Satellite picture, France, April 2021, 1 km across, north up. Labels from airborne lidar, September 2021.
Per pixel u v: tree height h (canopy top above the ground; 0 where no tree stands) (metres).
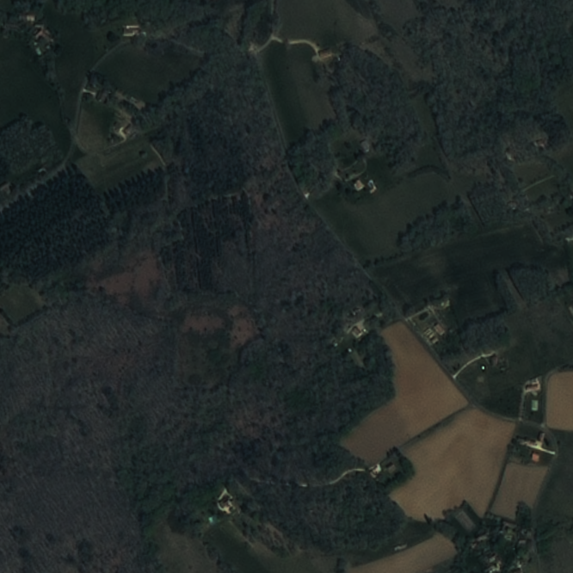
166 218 10
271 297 10
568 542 0
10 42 0
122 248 15
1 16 16
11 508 19
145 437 14
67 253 15
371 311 14
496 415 0
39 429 22
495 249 0
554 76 22
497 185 14
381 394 24
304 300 14
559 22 21
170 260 10
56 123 0
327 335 13
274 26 20
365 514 9
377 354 8
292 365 14
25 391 18
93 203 20
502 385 0
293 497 12
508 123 21
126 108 17
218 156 16
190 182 16
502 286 19
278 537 15
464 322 0
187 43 22
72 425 23
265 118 18
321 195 12
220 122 18
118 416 21
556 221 0
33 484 16
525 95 13
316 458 13
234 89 12
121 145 0
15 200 17
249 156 9
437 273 0
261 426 9
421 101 0
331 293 9
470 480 0
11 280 11
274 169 8
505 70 7
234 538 0
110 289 0
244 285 13
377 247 0
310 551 20
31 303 0
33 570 19
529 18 22
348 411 19
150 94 0
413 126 15
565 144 23
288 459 26
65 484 15
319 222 13
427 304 13
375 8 12
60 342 22
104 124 0
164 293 15
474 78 18
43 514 16
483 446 0
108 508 17
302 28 0
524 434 0
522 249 0
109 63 0
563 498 0
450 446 0
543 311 0
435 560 0
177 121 22
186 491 16
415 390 0
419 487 0
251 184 17
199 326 0
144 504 24
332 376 14
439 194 0
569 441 0
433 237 18
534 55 23
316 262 10
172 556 0
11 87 0
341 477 20
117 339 15
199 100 23
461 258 0
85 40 0
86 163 0
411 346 0
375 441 0
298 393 13
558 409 0
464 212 22
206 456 13
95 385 12
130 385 11
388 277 0
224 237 9
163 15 27
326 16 0
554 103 12
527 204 12
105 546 13
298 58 0
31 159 15
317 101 0
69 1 21
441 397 0
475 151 13
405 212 0
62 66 0
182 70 0
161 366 15
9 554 16
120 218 14
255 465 17
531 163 17
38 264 16
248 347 15
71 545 17
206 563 0
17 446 9
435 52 13
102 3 25
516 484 0
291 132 0
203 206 10
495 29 17
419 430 0
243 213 10
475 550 6
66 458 17
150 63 0
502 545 13
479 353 21
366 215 0
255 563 0
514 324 0
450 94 9
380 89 22
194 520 14
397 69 0
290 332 9
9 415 18
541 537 9
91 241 14
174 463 17
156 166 0
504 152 15
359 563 0
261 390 9
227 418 9
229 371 12
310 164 24
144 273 0
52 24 0
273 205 13
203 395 13
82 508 16
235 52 24
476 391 0
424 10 11
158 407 18
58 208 18
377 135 17
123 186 0
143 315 8
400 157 18
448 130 20
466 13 12
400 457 17
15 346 15
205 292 8
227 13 0
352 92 19
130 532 18
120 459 22
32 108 0
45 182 14
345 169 0
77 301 15
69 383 10
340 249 13
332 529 11
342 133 20
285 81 0
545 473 0
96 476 13
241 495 18
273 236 15
